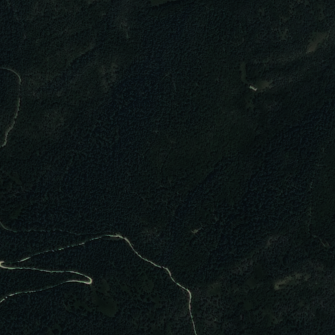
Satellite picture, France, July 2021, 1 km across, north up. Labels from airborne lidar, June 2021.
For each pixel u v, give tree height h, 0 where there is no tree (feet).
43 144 47
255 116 46
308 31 35
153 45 58
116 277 80
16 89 56
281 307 41
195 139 49
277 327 41
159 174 36
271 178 71
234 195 75
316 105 57
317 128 71
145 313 54
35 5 36
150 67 32
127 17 20
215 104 58
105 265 62
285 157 79
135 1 39
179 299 31
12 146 36
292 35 28
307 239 47
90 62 31
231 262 79
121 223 55
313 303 41
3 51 83
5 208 39
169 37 65
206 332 41
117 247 74
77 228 94
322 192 33
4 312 27
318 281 20
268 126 72
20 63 53
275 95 45
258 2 58
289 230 49
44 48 34
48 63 47
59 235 67
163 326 45
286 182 68
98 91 33
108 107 59
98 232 35
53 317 107
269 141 64
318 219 60
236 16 42
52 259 43
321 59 35
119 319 91
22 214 51
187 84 59
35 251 43
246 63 26
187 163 51
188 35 54
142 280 31
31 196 76
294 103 42
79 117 55
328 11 57
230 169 59
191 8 54
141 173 34
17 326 41
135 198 57
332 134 34
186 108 67
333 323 55
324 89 74
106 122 26
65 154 47
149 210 67
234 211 99
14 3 71
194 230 65
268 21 39
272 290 62
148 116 38
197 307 46
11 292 33
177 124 65
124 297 81
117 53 50
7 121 26
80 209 71
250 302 22
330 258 70
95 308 40
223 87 48
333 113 93
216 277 56
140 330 27
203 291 62
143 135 56
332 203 60
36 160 69
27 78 48
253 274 52
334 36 21
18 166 63
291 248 57
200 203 47
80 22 38
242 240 48
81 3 43
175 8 54
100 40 51
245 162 79
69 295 29
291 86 35
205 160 55
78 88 41
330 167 36
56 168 63
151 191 49
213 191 79
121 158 84
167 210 58
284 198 76
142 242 58
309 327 70
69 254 75
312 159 48
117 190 74
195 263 48
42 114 38
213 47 38
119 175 75
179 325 38
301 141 100
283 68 46
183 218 70
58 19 66
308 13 37
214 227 70
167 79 23
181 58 55
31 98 30
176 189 72
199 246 56
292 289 31
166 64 34
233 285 51
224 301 46
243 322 67
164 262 66
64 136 42
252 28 47
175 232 32
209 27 48
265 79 31
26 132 42
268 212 54
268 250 30
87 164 89
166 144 28
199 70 50
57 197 79
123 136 58
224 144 59
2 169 36
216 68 45
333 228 64
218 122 31
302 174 85
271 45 64
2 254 58
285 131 63
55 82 30
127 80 57
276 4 48
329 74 39
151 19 51
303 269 32
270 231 41
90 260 66
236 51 47
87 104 49
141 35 53
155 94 73
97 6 50
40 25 56
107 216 50
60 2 45
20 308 91
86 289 31
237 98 48
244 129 53
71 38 49
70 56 25
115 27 68
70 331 78
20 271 35
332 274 32
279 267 46
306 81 47
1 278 91
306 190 66
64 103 50
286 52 24
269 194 60
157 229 35
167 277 60
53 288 32
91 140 91
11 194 45
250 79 45
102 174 59
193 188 65
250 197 69
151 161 44
